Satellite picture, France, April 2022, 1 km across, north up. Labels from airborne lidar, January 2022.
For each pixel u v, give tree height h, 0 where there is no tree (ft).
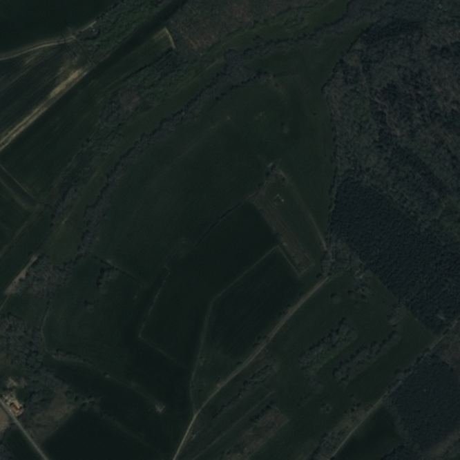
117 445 0
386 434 0
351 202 52
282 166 0
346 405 0
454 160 46
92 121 0
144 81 26
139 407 0
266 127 0
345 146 75
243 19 56
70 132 0
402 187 49
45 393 33
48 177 0
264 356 0
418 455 55
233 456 31
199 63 60
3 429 44
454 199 79
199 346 0
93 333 0
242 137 0
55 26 0
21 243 0
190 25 57
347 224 52
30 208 0
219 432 0
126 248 0
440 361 54
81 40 33
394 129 82
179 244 0
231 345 0
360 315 0
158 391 0
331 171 0
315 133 0
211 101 0
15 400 0
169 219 0
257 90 0
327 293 0
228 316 0
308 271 0
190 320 0
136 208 0
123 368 0
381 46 43
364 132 71
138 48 0
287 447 0
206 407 0
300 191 0
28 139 0
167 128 70
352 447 0
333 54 0
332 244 52
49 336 0
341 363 0
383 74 79
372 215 48
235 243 0
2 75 0
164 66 40
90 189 0
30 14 0
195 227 0
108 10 0
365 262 34
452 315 50
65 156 0
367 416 0
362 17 53
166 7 0
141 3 60
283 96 0
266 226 0
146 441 0
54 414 0
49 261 71
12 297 0
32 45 0
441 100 76
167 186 0
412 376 53
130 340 0
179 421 0
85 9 0
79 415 0
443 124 79
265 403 0
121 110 65
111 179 76
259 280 0
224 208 0
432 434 52
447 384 54
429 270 47
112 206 0
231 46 0
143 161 0
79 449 0
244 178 0
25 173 0
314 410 0
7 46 0
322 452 68
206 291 0
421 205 83
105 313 0
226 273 0
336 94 73
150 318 0
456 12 45
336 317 0
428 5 67
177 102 0
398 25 70
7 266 0
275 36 0
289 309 39
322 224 0
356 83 43
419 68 68
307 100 0
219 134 0
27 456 0
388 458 37
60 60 0
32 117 0
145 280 0
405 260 52
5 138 0
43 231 0
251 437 0
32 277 72
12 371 0
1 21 0
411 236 42
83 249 49
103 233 0
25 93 0
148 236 0
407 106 50
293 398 0
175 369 0
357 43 28
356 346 0
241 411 0
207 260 0
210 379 0
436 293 48
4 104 0
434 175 63
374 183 68
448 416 48
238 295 0
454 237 50
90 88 0
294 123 0
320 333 0
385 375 0
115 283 0
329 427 0
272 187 0
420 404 51
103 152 20
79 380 0
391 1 31
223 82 47
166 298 0
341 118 58
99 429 0
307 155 0
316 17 0
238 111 0
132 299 0
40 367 60
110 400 0
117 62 0
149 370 0
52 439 0
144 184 0
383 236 40
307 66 0
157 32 0
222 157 0
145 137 57
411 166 52
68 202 81
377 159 73
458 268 62
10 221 0
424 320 32
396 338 49
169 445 0
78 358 44
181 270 0
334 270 47
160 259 0
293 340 0
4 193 0
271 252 0
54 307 0
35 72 0
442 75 63
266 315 0
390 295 0
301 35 0
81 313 0
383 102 73
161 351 0
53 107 0
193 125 0
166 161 0
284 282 0
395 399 47
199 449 0
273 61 0
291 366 0
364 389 0
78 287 0
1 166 0
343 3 0
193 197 0
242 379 0
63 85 0
